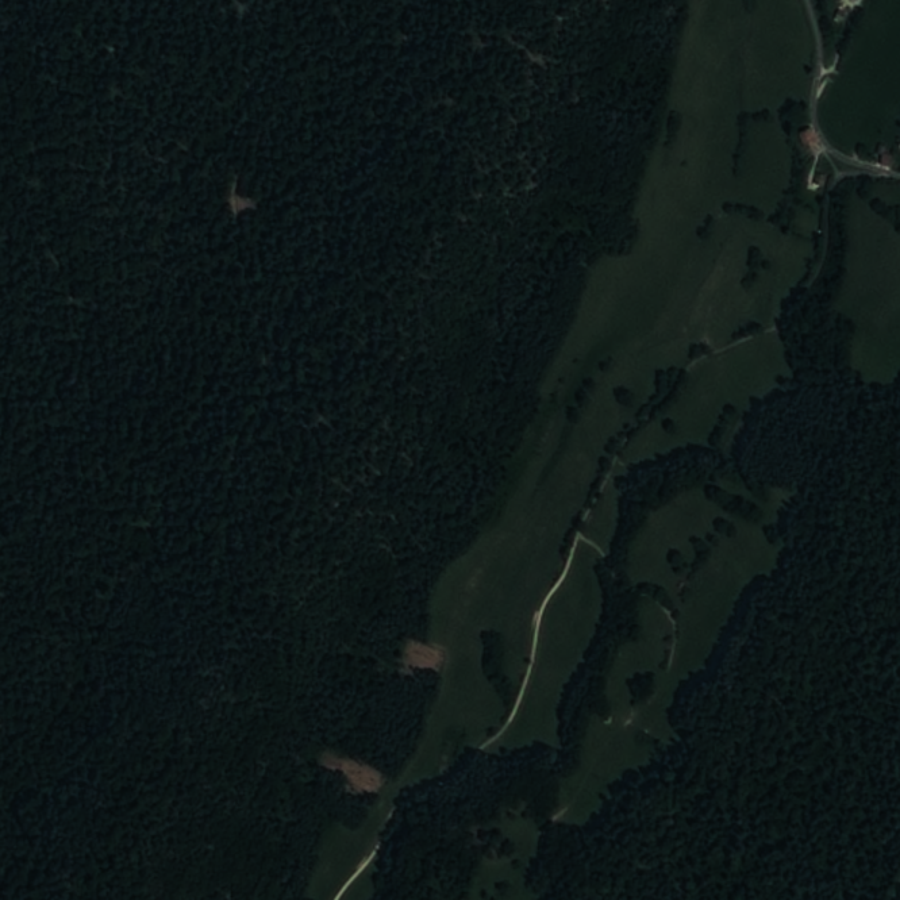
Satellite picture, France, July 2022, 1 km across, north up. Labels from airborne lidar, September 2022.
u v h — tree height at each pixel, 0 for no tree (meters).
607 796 0
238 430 17
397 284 21
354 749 27
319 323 18
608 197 32
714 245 0
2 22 31
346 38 28
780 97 0
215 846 10
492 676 10
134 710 21
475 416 29
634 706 8
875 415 19
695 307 0
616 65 30
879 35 0
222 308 24
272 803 28
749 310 0
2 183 16
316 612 10
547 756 32
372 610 36
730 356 0
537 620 0
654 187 0
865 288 0
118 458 25
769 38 0
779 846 7
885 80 0
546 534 0
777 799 19
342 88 17
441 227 15
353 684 15
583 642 0
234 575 13
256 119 10
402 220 26
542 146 16
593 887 20
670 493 21
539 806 19
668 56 35
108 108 23
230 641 21
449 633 0
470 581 0
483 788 32
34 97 13
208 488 28
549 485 0
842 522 22
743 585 0
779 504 0
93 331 26
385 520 19
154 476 17
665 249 0
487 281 18
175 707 18
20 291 23
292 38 23
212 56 19
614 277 0
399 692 23
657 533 0
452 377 21
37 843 21
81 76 20
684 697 20
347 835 0
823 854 33
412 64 23
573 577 0
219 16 19
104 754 24
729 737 19
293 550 19
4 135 22
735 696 31
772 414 19
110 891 19
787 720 22
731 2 0
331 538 17
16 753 17
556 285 21
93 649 18
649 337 0
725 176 0
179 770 18
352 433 20
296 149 30
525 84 28
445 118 17
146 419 17
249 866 26
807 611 22
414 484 29
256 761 14
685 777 32
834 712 25
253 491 13
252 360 13
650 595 14
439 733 0
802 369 21
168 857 9
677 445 0
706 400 0
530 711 0
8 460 20
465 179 10
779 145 0
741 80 0
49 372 25
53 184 21
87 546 19
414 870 20
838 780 9
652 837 21
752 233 0
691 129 0
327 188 16
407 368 13
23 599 14
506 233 20
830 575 21
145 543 9
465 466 26
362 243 21
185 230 25
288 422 20
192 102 21
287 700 17
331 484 16
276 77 16
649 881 24
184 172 11
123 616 19
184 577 22
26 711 22
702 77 0
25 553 15
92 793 18
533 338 22
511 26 15
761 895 23
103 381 30
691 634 0
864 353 0
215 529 13
